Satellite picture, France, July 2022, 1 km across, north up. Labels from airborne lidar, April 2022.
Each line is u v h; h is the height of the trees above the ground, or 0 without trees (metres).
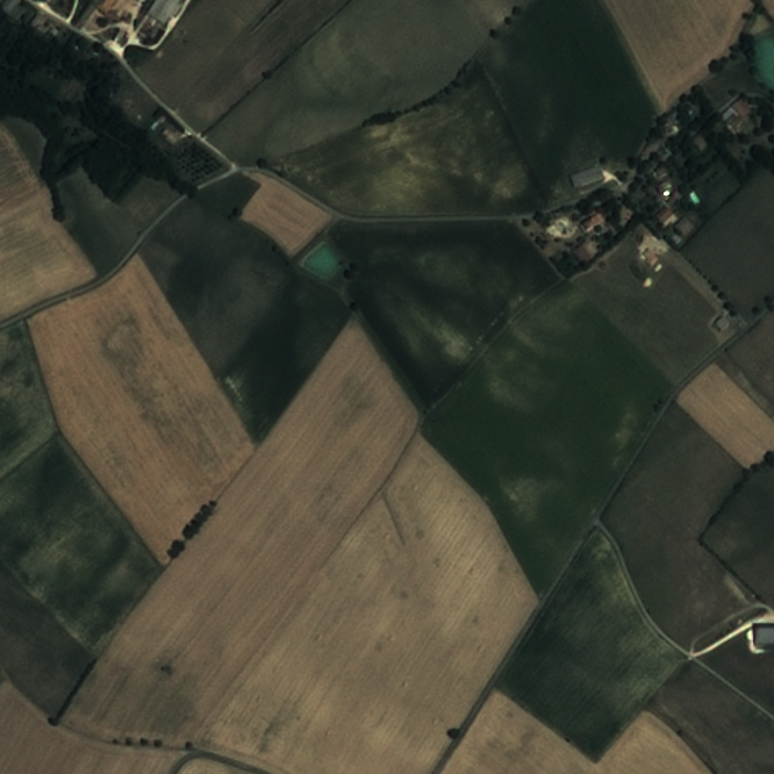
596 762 0
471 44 0
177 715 0
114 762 0
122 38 0
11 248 0
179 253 0
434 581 0
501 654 0
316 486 0
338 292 0
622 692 0
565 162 0
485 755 0
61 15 0
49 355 0
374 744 0
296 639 0
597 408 0
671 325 0
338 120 0
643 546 0
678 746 0
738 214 0
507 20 8
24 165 0
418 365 0
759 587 0
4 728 0
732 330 0
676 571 0
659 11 0
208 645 0
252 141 0
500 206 0
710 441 0
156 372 0
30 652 0
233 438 0
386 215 0
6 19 7
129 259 0
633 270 0
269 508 0
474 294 0
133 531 0
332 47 0
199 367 0
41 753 0
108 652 0
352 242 0
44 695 0
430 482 0
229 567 0
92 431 0
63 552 0
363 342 0
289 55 0
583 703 0
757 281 0
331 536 0
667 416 0
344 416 0
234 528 0
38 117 15
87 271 0
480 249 0
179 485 0
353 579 0
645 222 12
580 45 0
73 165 13
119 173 13
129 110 0
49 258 0
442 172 0
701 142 0
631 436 0
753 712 0
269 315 0
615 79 0
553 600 0
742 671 0
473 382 0
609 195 15
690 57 0
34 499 0
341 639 0
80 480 0
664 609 0
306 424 0
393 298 0
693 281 0
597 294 0
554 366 0
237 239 0
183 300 0
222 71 0
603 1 0
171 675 0
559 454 0
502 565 0
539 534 0
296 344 0
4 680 0
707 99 7
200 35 0
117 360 0
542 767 0
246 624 0
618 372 0
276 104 0
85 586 0
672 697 0
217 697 0
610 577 0
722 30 0
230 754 0
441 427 0
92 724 0
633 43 0
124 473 0
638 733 0
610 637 0
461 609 0
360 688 0
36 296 0
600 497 0
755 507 0
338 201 0
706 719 0
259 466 0
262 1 0
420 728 0
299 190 0
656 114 0
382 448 0
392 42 0
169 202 0
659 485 0
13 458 0
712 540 0
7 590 0
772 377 0
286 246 0
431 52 0
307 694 0
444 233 0
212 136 0
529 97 0
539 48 0
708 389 0
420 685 0
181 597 0
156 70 0
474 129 0
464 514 0
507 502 0
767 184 0
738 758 0
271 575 0
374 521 0
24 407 0
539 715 0
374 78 0
